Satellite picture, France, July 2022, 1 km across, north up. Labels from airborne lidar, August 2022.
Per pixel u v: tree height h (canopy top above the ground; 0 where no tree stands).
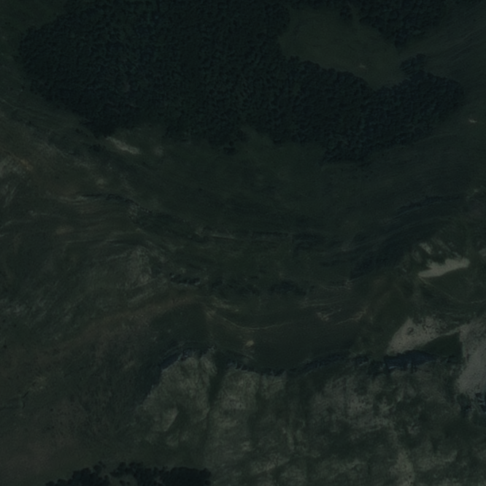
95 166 0
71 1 9
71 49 12
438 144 0
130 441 0
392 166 0
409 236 0
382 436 0
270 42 18
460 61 0
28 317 0
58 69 13
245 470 0
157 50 26
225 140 13
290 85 16
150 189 0
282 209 0
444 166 0
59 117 0
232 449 0
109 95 20
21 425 0
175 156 0
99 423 0
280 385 0
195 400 0
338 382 0
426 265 0
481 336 0
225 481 0
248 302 0
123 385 0
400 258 0
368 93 14
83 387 0
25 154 0
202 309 0
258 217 0
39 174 0
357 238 0
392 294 0
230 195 0
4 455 0
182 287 0
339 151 20
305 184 0
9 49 0
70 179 0
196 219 0
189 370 0
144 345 0
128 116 15
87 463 0
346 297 0
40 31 8
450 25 0
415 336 0
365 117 7
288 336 0
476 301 0
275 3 16
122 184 0
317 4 16
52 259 0
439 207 0
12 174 0
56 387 0
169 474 10
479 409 0
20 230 0
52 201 0
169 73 21
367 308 0
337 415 0
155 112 11
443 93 17
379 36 0
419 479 0
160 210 0
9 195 0
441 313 0
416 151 0
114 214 0
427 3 19
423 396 0
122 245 0
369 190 0
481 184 0
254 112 12
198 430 0
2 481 0
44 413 0
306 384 0
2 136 0
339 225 0
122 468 12
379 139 20
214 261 0
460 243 0
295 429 0
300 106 14
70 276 0
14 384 0
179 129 15
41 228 0
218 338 0
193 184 0
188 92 21
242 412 0
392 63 0
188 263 0
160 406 0
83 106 19
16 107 0
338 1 21
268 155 0
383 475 0
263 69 20
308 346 0
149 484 20
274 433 0
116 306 0
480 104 0
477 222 0
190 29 11
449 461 0
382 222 0
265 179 0
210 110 14
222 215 0
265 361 0
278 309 0
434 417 0
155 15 20
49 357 0
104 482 9
